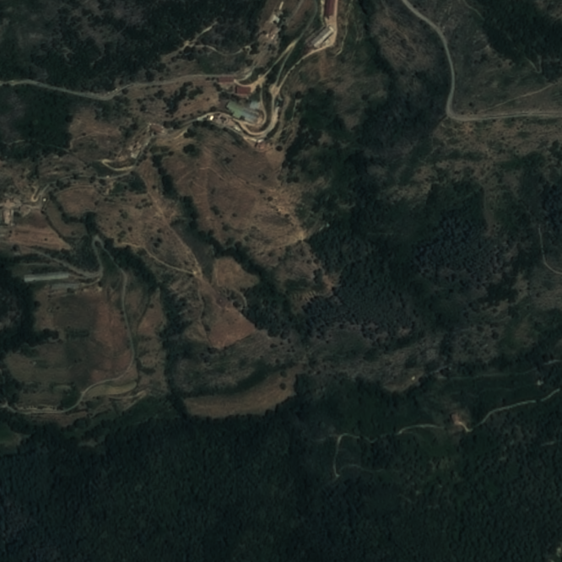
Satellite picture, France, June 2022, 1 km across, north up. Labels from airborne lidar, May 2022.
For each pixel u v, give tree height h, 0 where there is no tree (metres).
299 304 0
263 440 11
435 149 0
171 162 0
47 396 0
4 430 0
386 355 8
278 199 0
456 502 8
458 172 9
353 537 13
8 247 0
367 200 9
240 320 0
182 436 9
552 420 10
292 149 12
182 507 17
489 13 9
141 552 18
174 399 10
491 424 8
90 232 7
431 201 12
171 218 0
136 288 0
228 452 15
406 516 14
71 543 21
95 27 6
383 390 10
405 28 0
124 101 11
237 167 0
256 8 6
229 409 0
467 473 11
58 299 0
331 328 20
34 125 7
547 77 10
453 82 0
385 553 12
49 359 0
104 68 10
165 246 0
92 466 15
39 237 0
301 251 6
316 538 8
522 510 13
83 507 19
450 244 23
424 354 9
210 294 0
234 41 8
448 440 0
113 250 10
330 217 9
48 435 22
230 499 18
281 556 16
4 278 18
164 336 7
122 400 0
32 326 8
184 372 0
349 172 8
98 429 12
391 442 12
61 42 6
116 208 0
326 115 12
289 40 6
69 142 9
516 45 13
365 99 11
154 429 24
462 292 7
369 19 9
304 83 0
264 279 11
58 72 10
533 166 8
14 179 0
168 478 21
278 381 0
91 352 0
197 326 0
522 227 9
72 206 0
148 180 0
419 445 11
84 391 0
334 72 0
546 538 9
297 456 19
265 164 0
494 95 0
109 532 15
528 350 7
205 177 0
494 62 0
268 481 13
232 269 0
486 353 8
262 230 0
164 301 6
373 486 10
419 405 9
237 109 0
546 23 7
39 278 0
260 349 0
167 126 13
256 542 9
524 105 0
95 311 0
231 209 0
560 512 13
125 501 19
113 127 0
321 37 0
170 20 9
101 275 0
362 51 0
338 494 6
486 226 10
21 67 7
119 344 0
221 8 9
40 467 38
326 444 7
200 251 0
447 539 14
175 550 19
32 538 20
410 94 10
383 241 7
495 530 18
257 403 0
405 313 18
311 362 9
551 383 12
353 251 7
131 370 0
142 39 14
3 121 0
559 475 11
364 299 24
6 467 31
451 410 0
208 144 0
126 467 22
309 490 15
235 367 0
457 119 0
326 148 11
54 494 14
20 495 29
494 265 22
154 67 6
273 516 9
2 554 8
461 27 0
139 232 0
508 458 8
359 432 9
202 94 9
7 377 7
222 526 16
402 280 14
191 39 8
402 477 8
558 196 22
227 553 18
